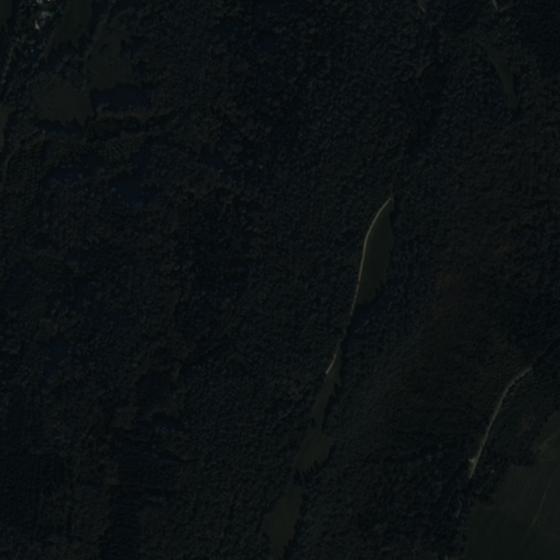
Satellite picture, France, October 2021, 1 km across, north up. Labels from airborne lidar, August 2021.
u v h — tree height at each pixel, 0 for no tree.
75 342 20
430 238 15
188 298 31
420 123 15
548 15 24
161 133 13
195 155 24
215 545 10
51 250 22
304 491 13
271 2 9
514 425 6
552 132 20
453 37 16
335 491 14
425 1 0
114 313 17
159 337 27
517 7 16
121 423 24
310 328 12
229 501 9
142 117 25
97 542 8
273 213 14
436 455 30
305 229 10
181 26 14
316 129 12
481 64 17
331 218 9
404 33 12
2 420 16
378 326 16
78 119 0
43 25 0
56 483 18
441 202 9
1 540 31
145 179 24
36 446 24
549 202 25
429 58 17
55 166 10
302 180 8
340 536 21
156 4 19
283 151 11
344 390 8
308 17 25
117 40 0
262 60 13
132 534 24
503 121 21
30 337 9
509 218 25
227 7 22
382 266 0
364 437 8
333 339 16
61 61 13
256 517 10
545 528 0
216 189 12
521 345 16
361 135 19
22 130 14
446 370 13
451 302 14
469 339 16
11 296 24
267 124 23
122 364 18
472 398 7
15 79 14
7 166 6
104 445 22
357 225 9
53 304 18
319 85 14
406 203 13
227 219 27
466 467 20
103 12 19
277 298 13
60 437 22
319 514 7
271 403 6
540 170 21
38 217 10
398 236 12
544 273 27
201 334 31
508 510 0
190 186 25
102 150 6
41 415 23
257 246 21
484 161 25
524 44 13
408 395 14
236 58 28
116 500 11
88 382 17
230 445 21
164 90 19
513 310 16
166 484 21
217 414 16
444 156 13
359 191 15
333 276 13
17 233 11
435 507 16
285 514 0
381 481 26
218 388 18
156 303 19
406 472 26
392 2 12
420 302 19
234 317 19
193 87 12
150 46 23
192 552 9
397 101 14
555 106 28
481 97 20
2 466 22
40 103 0
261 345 15
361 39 14
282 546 0
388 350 7
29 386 15
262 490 7
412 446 21
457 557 17
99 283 20
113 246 29
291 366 10
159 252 23
